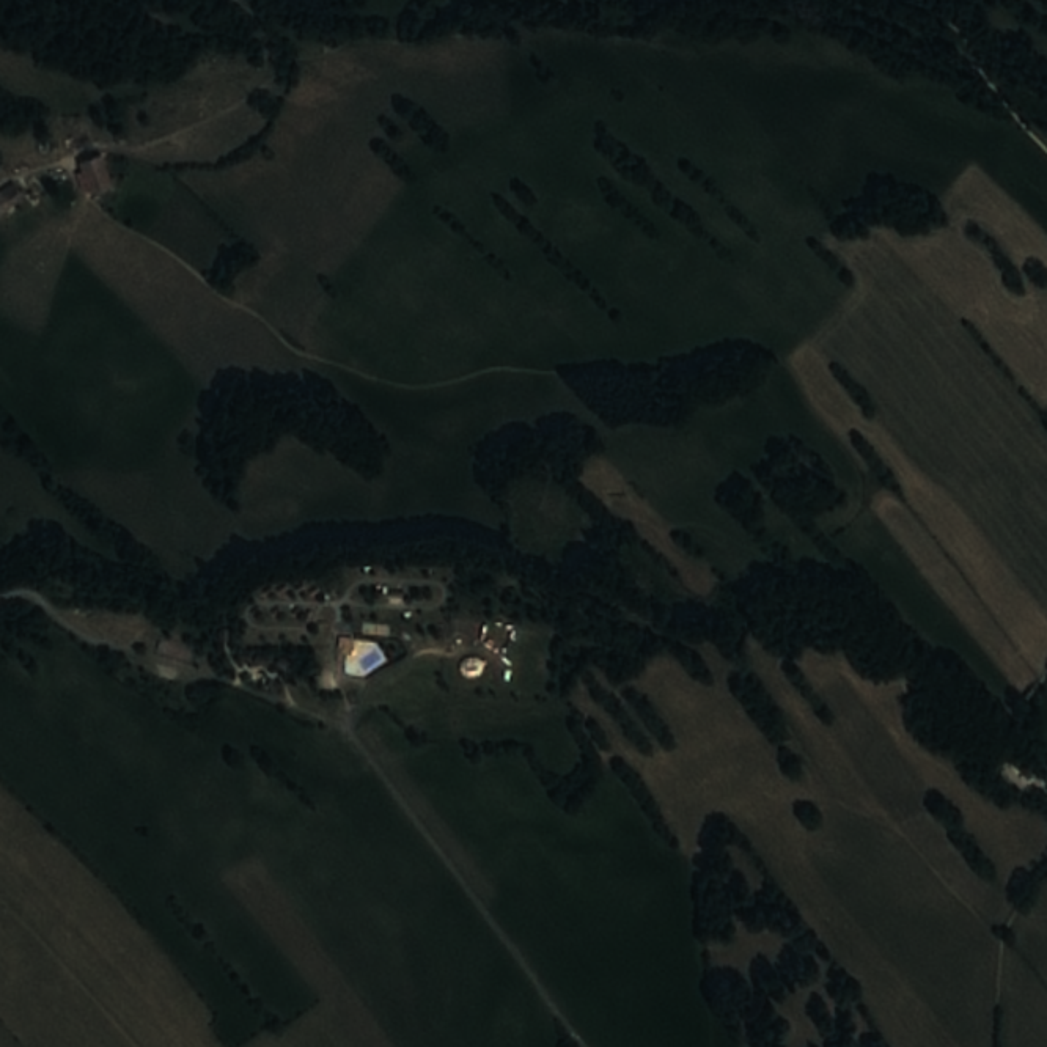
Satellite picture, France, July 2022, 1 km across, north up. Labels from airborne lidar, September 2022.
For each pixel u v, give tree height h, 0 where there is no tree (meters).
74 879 0
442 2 0
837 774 0
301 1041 0
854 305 0
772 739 12
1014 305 0
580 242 0
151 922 0
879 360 0
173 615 10
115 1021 0
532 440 22
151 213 0
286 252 0
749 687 10
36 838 0
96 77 22
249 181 0
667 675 0
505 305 0
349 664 0
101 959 0
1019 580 0
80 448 0
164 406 0
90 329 0
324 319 0
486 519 0
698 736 0
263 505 0
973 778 20
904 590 0
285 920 0
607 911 0
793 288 0
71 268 0
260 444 15
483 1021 0
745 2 27
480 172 0
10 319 0
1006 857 0
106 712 0
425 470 0
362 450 24
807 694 11
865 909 0
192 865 0
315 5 25
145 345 0
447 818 0
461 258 0
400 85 0
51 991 0
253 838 0
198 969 0
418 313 0
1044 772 18
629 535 20
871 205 19
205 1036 0
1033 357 0
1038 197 0
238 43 10
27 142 0
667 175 0
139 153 0
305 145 0
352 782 0
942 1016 0
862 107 0
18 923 0
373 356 0
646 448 0
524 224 16
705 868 25
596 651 7
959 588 0
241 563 22
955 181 0
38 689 0
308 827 0
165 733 0
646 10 24
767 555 17
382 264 0
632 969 0
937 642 0
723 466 0
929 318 0
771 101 0
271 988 0
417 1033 0
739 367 19
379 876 0
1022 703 25
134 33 19
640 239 0
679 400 26
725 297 0
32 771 0
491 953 0
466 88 0
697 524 0
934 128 0
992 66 20
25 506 0
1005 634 0
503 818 0
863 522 0
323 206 0
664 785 0
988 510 0
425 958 0
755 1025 17
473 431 0
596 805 0
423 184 0
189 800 0
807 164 0
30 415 0
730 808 0
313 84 0
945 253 0
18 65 0
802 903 0
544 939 0
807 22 16
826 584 29
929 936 0
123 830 0
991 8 6
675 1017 0
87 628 0
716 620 31
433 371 0
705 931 23
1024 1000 0
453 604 7
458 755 0
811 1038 0
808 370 0
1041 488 0
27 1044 0
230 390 20
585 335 0
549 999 0
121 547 21
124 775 0
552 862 0
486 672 0
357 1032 0
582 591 20
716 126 0
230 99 0
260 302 0
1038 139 0
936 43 13
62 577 7
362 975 0
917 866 0
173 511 0
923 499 0
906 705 18
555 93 0
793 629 16
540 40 0
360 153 0
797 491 19
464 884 0
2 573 9
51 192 19
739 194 0
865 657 20
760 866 9
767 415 0
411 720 0
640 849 0
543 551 0
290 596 9
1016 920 0
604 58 0
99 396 0
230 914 0
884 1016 0
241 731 0
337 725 0
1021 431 0
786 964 24
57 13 15
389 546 28
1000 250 11
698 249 0
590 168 0
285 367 0
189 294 0
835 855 0
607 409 26
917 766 0
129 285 0
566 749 0
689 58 0
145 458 0
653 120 0
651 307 0
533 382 0
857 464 0
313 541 27
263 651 8
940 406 0
